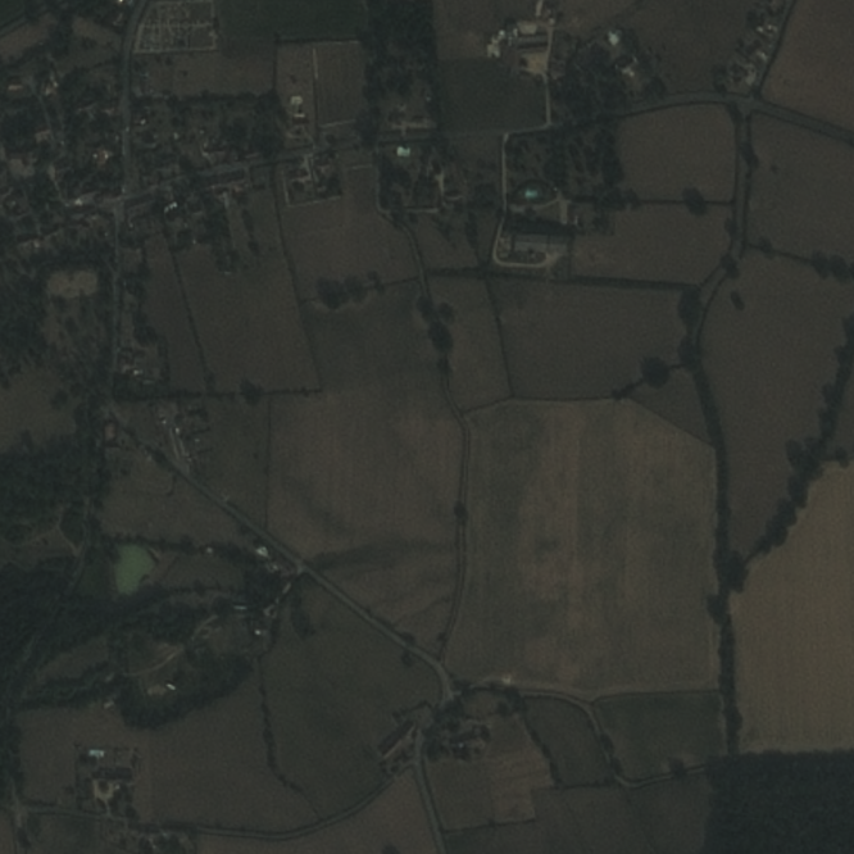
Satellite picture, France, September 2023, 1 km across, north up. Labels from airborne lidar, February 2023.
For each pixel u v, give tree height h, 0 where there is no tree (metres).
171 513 0
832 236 0
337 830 0
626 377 0
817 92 0
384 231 0
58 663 0
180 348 0
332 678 0
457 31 0
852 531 0
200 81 0
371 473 0
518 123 0
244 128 13
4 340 13
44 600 23
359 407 0
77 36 0
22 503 20
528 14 0
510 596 0
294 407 0
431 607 0
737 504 0
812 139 0
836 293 0
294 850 0
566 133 9
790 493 9
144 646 0
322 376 0
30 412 0
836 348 0
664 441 0
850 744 0
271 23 0
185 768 0
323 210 0
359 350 0
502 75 0
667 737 0
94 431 17
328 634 0
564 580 0
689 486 0
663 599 0
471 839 0
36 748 0
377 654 0
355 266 0
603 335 0
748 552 0
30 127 17
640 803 0
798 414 0
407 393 0
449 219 0
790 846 16
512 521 0
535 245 0
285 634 0
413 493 0
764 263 0
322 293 19
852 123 0
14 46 0
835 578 0
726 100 0
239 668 13
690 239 0
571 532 0
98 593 0
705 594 0
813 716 0
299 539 0
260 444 0
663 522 0
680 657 0
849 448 0
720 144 0
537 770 0
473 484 0
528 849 0
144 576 0
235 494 0
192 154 0
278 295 0
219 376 0
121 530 0
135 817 13
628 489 0
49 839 0
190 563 0
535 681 0
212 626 0
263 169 0
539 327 0
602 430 0
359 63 0
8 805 0
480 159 0
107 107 0
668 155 0
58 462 18
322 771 0
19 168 0
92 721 0
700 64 0
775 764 16
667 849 0
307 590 0
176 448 0
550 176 9
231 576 0
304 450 0
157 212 11
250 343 0
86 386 16
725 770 16
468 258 0
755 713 0
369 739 0
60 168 0
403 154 0
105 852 0
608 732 0
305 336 0
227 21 0
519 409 0
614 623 0
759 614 0
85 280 0
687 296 14
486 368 0
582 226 8
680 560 0
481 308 0
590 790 0
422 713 0
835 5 0
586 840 0
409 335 0
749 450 0
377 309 0
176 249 8
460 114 0
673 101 0
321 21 0
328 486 0
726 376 0
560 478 0
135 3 0
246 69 0
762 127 0
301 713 0
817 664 0
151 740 0
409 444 0
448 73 0
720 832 21
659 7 0
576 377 0
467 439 0
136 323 11
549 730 0
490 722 0
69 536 9
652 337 0
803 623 0
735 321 0
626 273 0
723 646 6
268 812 0
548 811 0
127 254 0
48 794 0
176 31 0
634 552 0
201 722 0
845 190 0
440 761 0
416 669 0
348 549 0
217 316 0
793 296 0
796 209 0
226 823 0
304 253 0
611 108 12
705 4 0
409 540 0
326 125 0
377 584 0
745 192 0
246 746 0
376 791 0
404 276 0
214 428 0
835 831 37
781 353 0
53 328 0
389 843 0
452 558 0
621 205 13
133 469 0
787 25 0
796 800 35
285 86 0
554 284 0
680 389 0
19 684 10
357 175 0
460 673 0
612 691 0
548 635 0
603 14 0
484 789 0
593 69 16
